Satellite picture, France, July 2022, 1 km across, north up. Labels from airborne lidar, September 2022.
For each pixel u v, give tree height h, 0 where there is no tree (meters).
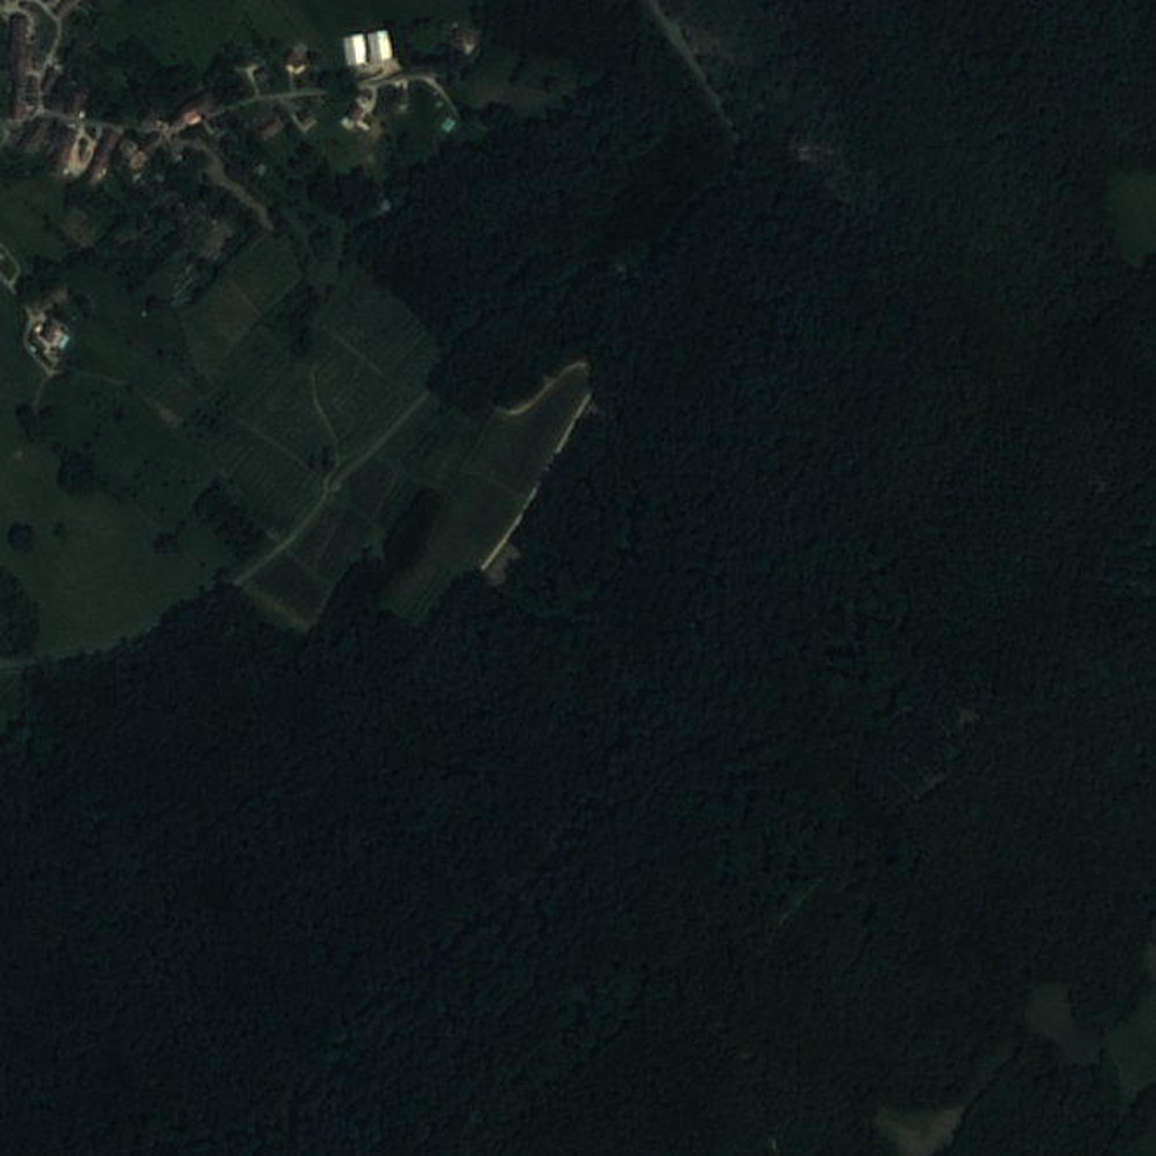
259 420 0
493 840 29
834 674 23
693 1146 20
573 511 29
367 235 18
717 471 29
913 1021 15
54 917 24
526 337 22
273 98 0
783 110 8
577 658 25
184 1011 28
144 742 21
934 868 18
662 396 29
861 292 25
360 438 0
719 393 33
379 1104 28
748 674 27
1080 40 14
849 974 11
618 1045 19
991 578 15
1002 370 13
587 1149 14
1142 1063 0
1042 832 11
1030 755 12
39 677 13
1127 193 0
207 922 26
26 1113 28
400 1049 34
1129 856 16
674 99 26
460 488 0
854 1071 19
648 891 26
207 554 0
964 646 18
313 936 16
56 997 28
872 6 17
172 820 21
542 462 0
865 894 23
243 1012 32
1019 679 17
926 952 18
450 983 45
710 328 28
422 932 28
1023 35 22
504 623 27
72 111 0
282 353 0
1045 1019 0
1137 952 18
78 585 0
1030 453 13
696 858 29
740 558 23
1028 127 19
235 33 0
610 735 24
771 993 22
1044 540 16
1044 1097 11
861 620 16
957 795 13
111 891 24
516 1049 27
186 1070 29
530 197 26
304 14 0
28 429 13
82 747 18
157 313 11
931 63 20
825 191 18
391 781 25
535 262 32
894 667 23
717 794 20
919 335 24
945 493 12
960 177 14
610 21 10
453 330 22
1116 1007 16
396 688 25
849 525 20
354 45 0
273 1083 25
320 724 27
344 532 0
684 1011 16
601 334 27
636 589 26
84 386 0
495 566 0
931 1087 13
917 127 16
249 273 0
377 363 0
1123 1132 19
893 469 16
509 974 36
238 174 9
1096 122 12
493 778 8
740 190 25
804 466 25
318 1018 24
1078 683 12
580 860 31
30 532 17
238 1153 32
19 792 22
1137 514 20
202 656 25
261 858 28
